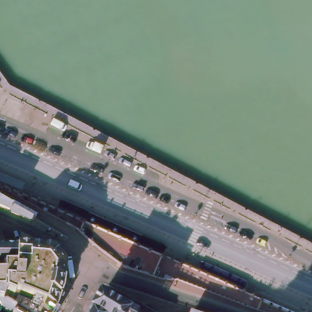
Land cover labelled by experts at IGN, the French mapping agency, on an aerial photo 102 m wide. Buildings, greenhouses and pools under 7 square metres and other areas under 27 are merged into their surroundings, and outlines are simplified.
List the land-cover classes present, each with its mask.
<instances>
[{"label":"water","instance_id":"1","mask_svg":"<svg viewBox=\"0 0 312 312\"><path fill-rule=\"evenodd\" d=\"M0 71L13 87L67 112L68 115L106 134L108 138L121 141L141 154L154 158L162 165L205 185L206 188L228 197L236 204L260 214L312 243V0H0Z\"/></svg>","mask_w":312,"mask_h":312},{"label":"impervious surface","instance_id":"2","mask_svg":"<svg viewBox=\"0 0 312 312\"><path fill-rule=\"evenodd\" d=\"M0 193L11 197L17 204L28 208L34 214L33 218L16 216L0 207V224L11 233L17 230L21 238L28 236L40 240H55L60 245L55 251L56 255L58 252H65L66 255L72 256V261H68L67 271L61 272L62 282L66 285L61 300L55 303L58 312H89L93 307L90 303L93 295H96L100 285L108 284L113 286L116 294L122 295L118 303L123 305L134 302L136 312H165L168 302L177 299L188 302L190 308L204 312H261L258 310L263 303L279 310H282L283 306L288 307L289 310L296 312H312V243L260 214L236 204L228 197L206 188L205 185L162 165L154 158L141 154L121 141L108 138L106 134L68 115L67 112L13 87L0 71ZM58 205L62 210L78 214L85 221L161 252L163 260L167 261V256L172 257L173 260L190 264L201 271L238 285L241 289L253 292L260 296L257 300V310L219 296H214L208 303L202 297L199 300L194 296L175 294L171 289L123 275L106 256L101 253L95 256L87 247L88 241L78 230L69 228L66 221L49 212Z\"/></svg>","mask_w":312,"mask_h":312},{"label":"building","instance_id":"3","mask_svg":"<svg viewBox=\"0 0 312 312\"><path fill-rule=\"evenodd\" d=\"M0 207L16 216L33 218L34 214L28 208L17 204L11 197L0 193ZM49 212L66 221L69 228L78 230L88 241L87 247L95 256L101 253L106 256L123 275L171 289L175 294L194 296L199 300L202 297L208 303L214 296H219L257 310V300L260 296L253 292L241 289L238 285L201 271L190 264L173 260L172 257L167 256V261L163 260L161 252L85 221L78 214L62 210L58 205ZM60 245L55 240H40L28 236L21 238L17 230L11 233L0 224V312H58L55 303L61 300L66 285L62 282L61 272L67 271L68 261H72V256L66 255L65 252H58L56 255L55 251ZM122 295L116 294L113 286L108 284L100 285L96 295H93L90 303L93 307L89 312H136L134 302L123 305L118 303ZM165 312H204L190 308L188 302L177 299L168 302ZM261 312H296L289 310L288 307L283 306L282 310H279L263 303L258 310Z\"/></svg>","mask_w":312,"mask_h":312}]
</instances>
